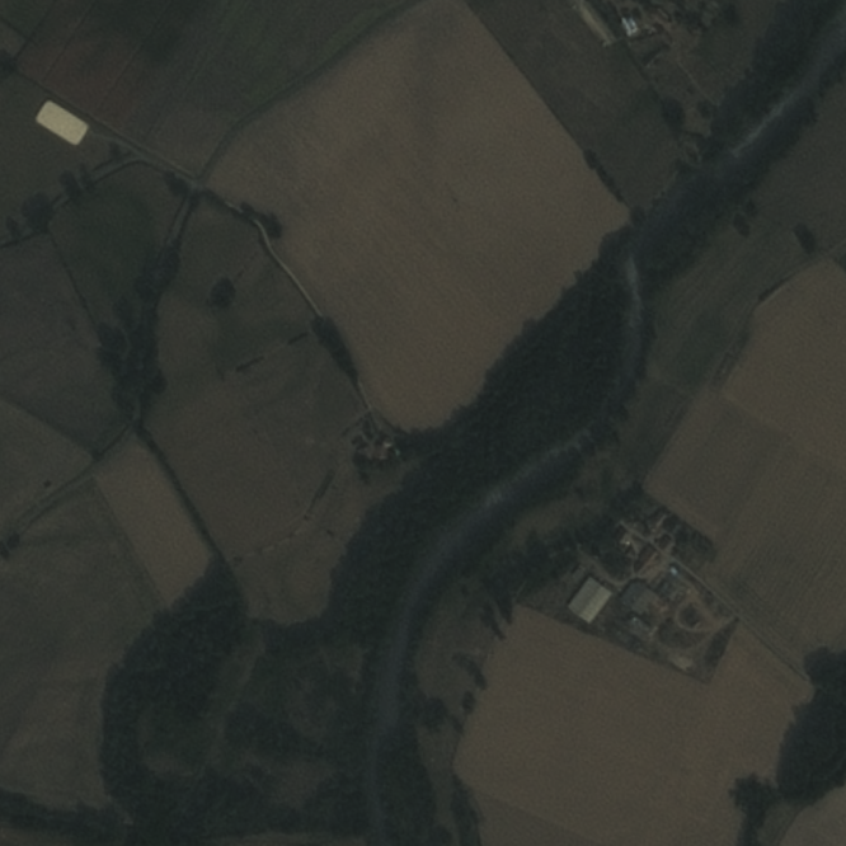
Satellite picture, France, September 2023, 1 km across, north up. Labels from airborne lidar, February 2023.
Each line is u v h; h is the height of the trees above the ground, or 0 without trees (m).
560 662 0
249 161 0
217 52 0
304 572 0
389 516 16
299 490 0
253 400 0
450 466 20
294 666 0
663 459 0
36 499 0
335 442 0
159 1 0
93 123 0
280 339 0
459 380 0
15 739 0
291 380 0
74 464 0
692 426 0
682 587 0
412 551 20
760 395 0
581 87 0
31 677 0
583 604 0
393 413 0
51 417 0
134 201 0
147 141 0
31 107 0
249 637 0
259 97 0
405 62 0
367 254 0
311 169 0
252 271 0
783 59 24
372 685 13
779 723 0
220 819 12
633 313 0
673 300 0
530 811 0
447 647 0
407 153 0
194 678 24
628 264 0
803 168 0
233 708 0
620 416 13
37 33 0
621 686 0
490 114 0
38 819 7
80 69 0
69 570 0
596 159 11
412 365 0
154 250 0
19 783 0
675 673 0
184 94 0
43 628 0
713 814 0
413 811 0
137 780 16
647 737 0
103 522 0
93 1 0
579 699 0
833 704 16
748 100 16
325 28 0
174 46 0
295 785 0
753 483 0
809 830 0
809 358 0
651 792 0
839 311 0
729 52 0
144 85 0
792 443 0
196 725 0
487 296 0
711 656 0
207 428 0
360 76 0
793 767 21
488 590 11
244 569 0
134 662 22
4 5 0
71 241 0
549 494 15
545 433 18
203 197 8
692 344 0
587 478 0
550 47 0
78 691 0
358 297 0
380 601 25
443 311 0
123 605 0
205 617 12
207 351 0
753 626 0
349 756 12
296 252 0
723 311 0
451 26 0
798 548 0
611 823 0
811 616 0
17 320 0
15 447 0
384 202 0
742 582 0
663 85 0
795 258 0
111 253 0
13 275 0
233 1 0
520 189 0
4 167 0
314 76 0
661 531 0
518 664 0
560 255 0
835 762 18
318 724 0
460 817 17
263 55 0
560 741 0
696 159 12
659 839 0
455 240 0
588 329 12
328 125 0
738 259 0
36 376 0
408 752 18
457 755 0
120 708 22
